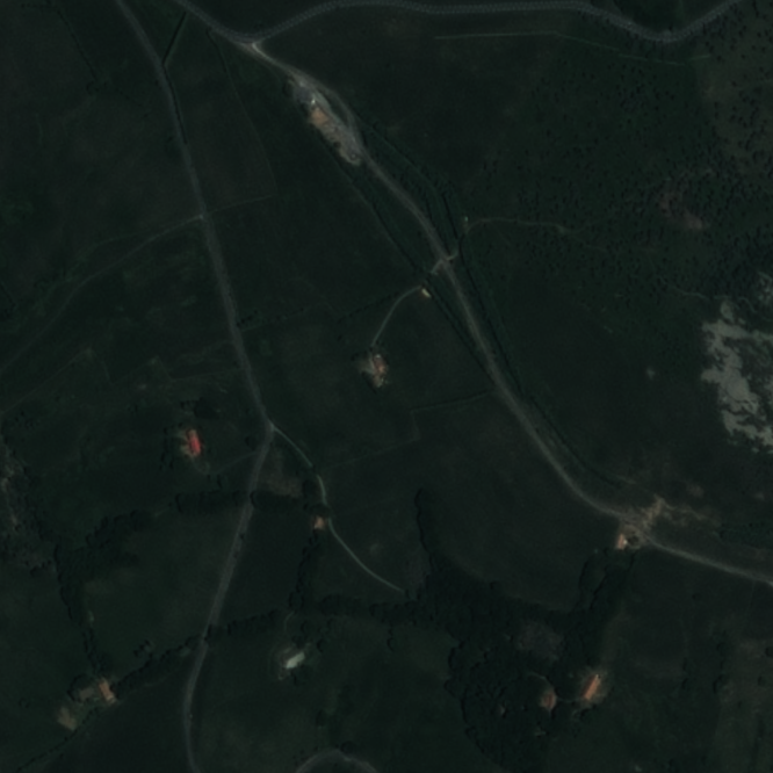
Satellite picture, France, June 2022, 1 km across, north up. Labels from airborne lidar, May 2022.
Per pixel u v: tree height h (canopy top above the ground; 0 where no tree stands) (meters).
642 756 0
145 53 0
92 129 0
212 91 0
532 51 0
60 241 0
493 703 18
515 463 0
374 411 0
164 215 0
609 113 0
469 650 20
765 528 11
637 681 0
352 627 0
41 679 0
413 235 0
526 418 0
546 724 24
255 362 0
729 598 0
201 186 0
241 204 0
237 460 0
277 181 0
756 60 0
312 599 7
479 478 0
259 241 0
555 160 0
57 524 0
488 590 15
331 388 0
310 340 0
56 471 0
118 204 0
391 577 0
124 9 0
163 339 0
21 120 0
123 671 0
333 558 0
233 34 0
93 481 0
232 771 0
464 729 0
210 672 0
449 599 13
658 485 0
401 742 0
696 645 0
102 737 0
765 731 0
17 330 0
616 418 0
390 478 0
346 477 0
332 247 0
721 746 0
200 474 0
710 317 0
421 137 0
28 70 0
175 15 0
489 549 0
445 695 0
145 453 0
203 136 0
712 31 11
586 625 20
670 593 0
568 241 8
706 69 0
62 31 0
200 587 0
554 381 0
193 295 0
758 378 0
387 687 0
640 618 0
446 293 12
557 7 0
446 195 11
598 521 0
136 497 0
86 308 0
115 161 0
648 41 9
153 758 0
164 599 0
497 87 0
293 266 0
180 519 0
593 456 0
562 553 0
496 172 6
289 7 0
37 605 0
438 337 0
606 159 0
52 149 0
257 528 0
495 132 0
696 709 0
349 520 0
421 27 0
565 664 12
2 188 0
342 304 0
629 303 7
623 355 0
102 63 0
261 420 0
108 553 16
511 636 13
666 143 0
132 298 0
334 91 0
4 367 0
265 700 0
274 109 0
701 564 0
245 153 0
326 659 0
